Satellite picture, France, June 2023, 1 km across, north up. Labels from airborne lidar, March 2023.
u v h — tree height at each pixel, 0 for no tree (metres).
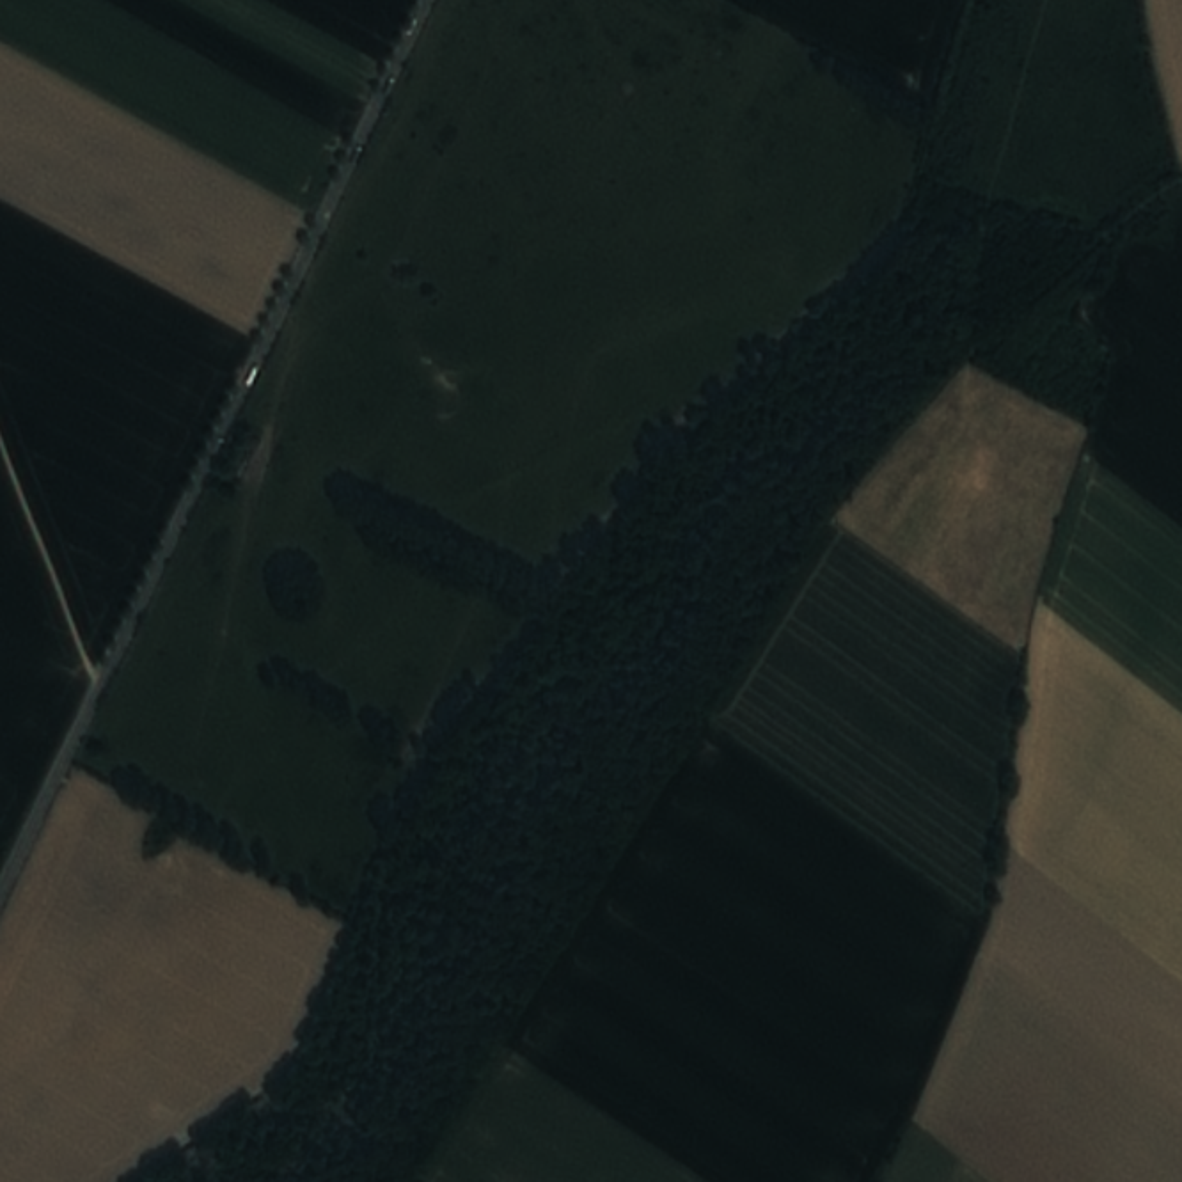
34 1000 0
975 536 0
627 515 16
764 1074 0
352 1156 26
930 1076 0
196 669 0
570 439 0
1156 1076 0
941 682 0
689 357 0
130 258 0
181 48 0
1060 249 9
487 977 21
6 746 0
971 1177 0
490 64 0
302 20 0
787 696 0
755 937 0
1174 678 0
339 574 0
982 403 0
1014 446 0
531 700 30
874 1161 0
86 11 0
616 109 0
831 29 0
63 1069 0
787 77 0
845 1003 0
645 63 0
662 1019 0
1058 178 0
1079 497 0
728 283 0
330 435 0
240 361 0
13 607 0
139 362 0
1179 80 0
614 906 0
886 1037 0
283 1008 0
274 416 0
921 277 25
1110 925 0
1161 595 0
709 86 0
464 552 31
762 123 0
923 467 0
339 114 0
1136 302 0
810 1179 0
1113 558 0
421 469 0
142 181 0
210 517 0
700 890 0
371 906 23
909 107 32
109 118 0
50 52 0
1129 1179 0
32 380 0
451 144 0
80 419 0
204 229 0
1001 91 0
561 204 0
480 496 0
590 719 29
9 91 0
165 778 0
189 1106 0
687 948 0
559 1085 0
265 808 0
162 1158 18
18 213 0
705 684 27
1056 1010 0
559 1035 0
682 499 27
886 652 0
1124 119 0
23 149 0
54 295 0
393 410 0
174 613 0
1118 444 0
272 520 0
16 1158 0
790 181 0
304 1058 14
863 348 23
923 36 0
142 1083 0
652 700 30
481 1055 18
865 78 25
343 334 0
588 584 25
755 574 23
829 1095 0
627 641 29
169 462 0
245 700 0
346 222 0
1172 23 0
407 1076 21
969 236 25
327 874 0
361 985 19
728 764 0
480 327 0
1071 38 0
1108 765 0
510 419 0
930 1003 0
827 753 0
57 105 0
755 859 0
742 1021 0
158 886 0
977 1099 0
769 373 13
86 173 0
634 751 29
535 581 32
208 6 0
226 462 18
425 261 0
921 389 24
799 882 0
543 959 14
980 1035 0
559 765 28
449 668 0
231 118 0
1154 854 0
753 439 27
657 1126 0
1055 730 0
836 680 0
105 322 0
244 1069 0
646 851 0
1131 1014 0
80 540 0
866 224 0
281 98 0
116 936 0
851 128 0
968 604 0
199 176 0
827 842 0
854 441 26
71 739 0
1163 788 0
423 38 0
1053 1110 0
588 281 0
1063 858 0
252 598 0
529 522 0
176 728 0
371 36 0
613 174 0
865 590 0
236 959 0
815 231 0
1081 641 0
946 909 0
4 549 0
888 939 0
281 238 0
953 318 21
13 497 0
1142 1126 0
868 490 0
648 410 0
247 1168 19
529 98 0
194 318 0
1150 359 0
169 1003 0
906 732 0
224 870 0
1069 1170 0
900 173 0
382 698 0
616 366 0
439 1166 0
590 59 0
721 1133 0
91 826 0
